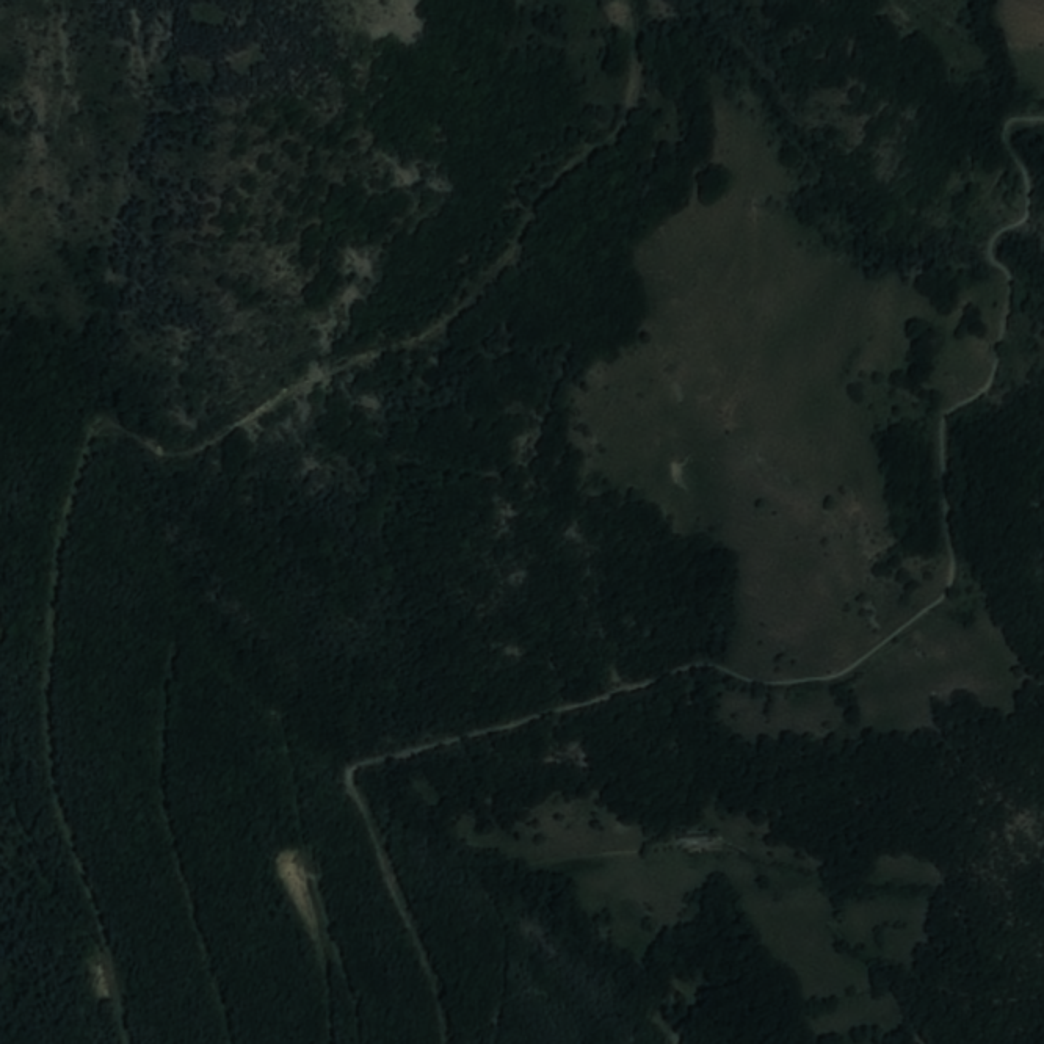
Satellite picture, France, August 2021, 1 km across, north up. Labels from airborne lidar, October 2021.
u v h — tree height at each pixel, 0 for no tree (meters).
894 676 0
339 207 10
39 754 18
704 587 25
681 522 0
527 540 11
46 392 15
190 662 19
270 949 17
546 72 17
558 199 18
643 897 0
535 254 9
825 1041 16
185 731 16
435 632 18
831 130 8
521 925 9
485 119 13
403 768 18
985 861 8
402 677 11
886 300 0
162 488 12
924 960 18
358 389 14
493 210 15
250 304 8
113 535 15
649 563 14
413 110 11
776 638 0
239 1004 17
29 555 16
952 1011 17
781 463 0
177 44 12
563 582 15
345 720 24
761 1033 32
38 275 6
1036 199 10
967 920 17
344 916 15
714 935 26
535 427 7
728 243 0
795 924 0
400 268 9
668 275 0
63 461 13
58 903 13
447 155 13
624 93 0
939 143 14
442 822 21
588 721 13
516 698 13
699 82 16
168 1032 17
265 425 12
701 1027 25
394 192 10
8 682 21
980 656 0
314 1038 19
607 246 20
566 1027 17
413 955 17
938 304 9
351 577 15
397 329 13
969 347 0
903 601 8
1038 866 10
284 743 14
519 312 15
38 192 9
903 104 12
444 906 22
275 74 7
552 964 12
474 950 20
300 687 10
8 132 11
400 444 20
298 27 14
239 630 15
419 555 18
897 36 17
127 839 16
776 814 13
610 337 16
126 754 16
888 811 16
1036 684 15
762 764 18
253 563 20
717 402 0
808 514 0
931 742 17
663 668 10
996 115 13
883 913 0
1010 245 16
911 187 12
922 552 10
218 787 15
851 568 0
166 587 15
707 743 18
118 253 14
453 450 18
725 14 26
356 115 9
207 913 20
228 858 16
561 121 18
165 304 12
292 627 14
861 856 18
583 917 12
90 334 18
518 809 12
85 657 17
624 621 12
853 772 19
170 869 17
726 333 0
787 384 0
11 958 18
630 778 15
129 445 10
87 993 10
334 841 17
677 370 0
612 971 22
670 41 15
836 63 8
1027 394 11
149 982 17
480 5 14
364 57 10
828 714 0
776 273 0
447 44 11
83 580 18
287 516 8
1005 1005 10
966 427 18
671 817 22
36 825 20
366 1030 17
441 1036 16
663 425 0
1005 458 23
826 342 0
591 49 0
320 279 12
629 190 17
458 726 7
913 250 13
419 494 18
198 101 12
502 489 10
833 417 0
